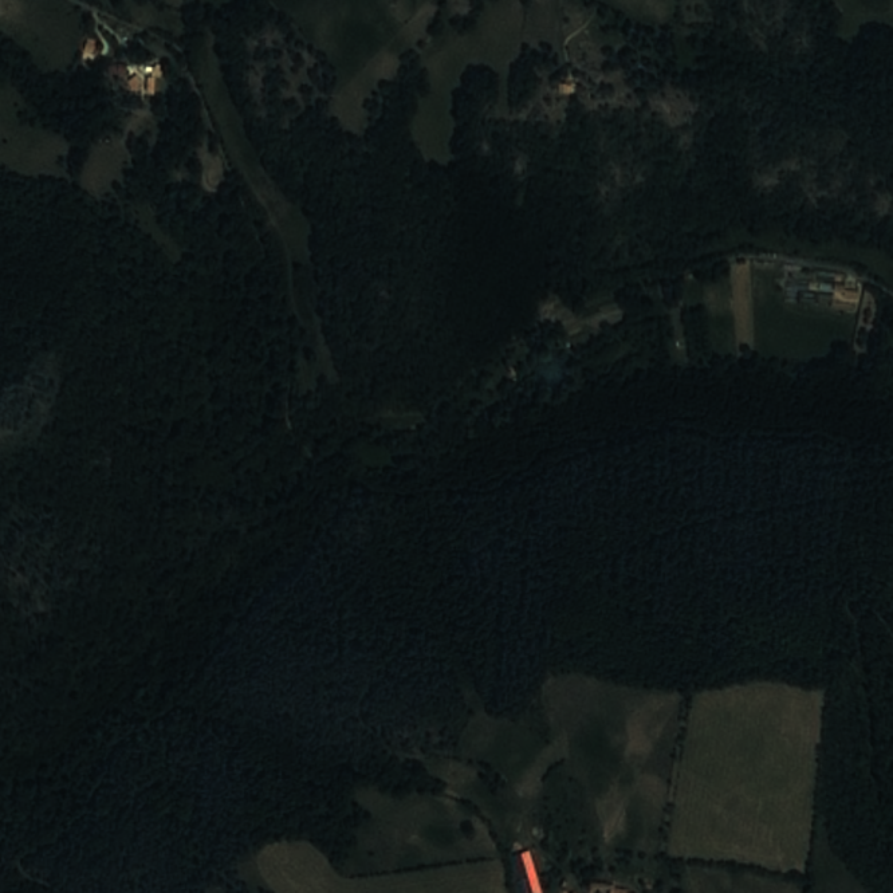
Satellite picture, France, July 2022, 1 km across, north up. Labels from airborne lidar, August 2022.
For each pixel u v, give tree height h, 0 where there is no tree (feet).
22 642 24
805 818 0
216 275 87
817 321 0
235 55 43
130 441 67
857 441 52
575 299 89
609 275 82
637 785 0
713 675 40
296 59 47
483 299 61
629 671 58
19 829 79
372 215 48
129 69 0
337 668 56
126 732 26
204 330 48
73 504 63
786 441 79
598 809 0
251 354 25
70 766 64
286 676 50
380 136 61
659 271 37
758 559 82
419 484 38
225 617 23
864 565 52
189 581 32
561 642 50
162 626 38
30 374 26
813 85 64
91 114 81
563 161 29
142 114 0
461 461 23
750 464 92
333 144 54
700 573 53
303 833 27
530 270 64
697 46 57
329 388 44
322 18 0
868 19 0
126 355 66
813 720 0
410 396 23
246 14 57
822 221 49
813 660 45
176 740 48
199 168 41
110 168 0
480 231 59
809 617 49
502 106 0
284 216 0
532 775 0
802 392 43
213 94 0
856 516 62
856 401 27
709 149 71
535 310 46
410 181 58
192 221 86
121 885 69
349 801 44
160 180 77
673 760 30
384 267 40
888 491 63
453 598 38
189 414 73
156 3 42
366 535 26
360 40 0
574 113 44
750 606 63
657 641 64
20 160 0
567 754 0
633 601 72
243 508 66
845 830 43
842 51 61
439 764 0
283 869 0
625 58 41
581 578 78
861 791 67
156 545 49
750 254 33
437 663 55
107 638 25
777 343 0
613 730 0
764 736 0
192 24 69
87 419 62
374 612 53
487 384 51
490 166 67
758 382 39
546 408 46
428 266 58
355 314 52
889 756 45
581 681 0
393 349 49
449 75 0
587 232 45
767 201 39
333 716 53
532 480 77
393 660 52
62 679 77
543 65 40
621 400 40
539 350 67
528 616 72
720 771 0
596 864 26
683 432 63
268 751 70
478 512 69
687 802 0
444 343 71
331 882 0
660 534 64
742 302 0
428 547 54
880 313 25
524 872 0
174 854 74
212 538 45
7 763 38
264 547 25
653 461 92
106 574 68
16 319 45
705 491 94
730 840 0
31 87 70
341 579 51
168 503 74
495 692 72
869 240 62
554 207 55
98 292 73
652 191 47
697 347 32
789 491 73
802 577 61
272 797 49
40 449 31
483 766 31
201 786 66
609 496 86
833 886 0
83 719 27
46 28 0
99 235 79
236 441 67
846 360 42
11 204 53
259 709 78
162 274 59
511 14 0
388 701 55
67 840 66
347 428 42
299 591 82
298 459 73
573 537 75
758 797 0
